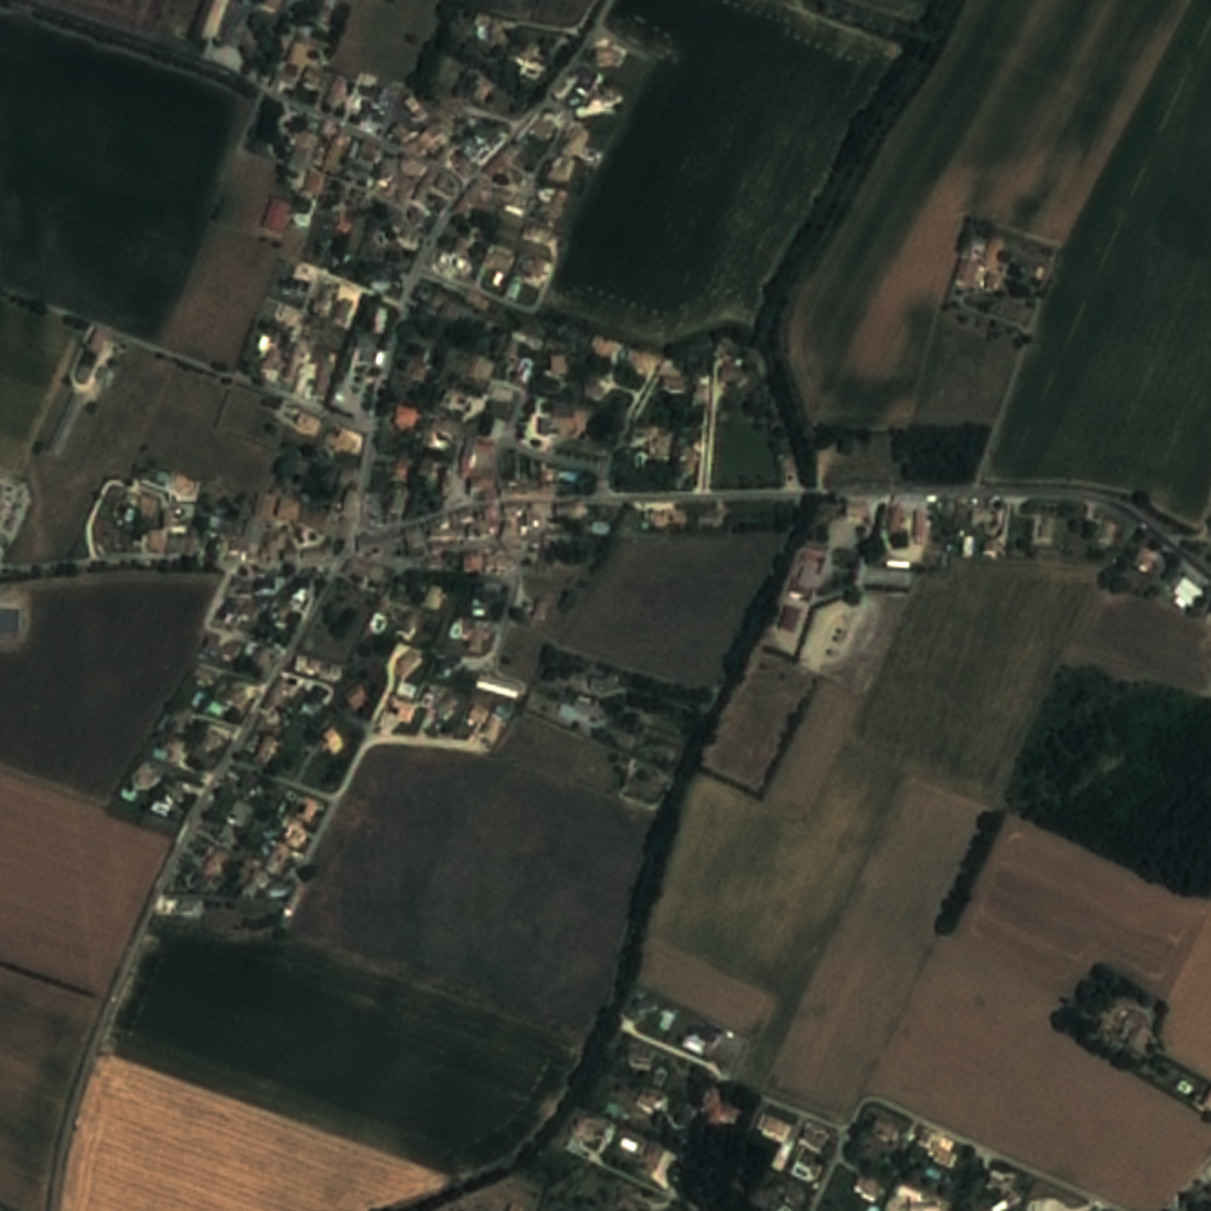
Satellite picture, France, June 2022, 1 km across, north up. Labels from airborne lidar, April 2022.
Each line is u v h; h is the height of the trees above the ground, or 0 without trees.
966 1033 0
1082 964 0
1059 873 0
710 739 14
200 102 0
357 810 0
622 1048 8
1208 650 0
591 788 0
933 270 0
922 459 14
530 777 0
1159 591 6
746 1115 12
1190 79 0
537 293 0
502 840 0
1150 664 0
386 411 12
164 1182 0
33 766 0
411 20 0
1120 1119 0
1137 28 0
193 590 0
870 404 0
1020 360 0
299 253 0
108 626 0
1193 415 0
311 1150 0
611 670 7
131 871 0
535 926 0
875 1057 0
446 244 9
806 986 0
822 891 0
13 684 0
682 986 0
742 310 0
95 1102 0
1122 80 0
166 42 0
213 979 0
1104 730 9
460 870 0
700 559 0
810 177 0
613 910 0
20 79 0
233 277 0
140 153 0
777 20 0
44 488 0
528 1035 0
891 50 0
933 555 0
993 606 0
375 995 0
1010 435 0
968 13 0
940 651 0
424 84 10
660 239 0
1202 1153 0
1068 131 0
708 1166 13
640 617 0
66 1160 0
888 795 0
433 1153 0
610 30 0
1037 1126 0
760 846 0
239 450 0
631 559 0
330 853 0
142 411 0
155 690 0
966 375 0
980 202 0
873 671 0
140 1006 0
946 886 0
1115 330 0
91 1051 0
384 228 9
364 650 7
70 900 0
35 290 0
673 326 0
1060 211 0
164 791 8
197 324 0
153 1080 0
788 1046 0
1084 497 0
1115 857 9
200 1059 0
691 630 0
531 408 9
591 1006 0
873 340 0
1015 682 0
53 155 0
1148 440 0
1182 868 17
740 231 0
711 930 0
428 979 0
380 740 0
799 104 0
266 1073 0
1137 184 0
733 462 0
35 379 0
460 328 6
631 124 0
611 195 0
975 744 0
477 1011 0
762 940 0
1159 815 7
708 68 0
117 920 0
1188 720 10
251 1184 0
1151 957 0
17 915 0
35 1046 0
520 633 0
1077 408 0
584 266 0
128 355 0
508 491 0
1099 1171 0
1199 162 0
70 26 10
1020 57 0
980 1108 0
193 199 0
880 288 0
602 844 0
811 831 0
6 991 0
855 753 0
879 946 0
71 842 0
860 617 0
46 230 0
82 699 0
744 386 0
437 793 0
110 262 0
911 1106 0
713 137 0
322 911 0
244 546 0
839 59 0
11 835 0
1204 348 0
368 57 0
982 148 0
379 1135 0
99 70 0
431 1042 0
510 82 10
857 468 0
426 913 0
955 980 0
